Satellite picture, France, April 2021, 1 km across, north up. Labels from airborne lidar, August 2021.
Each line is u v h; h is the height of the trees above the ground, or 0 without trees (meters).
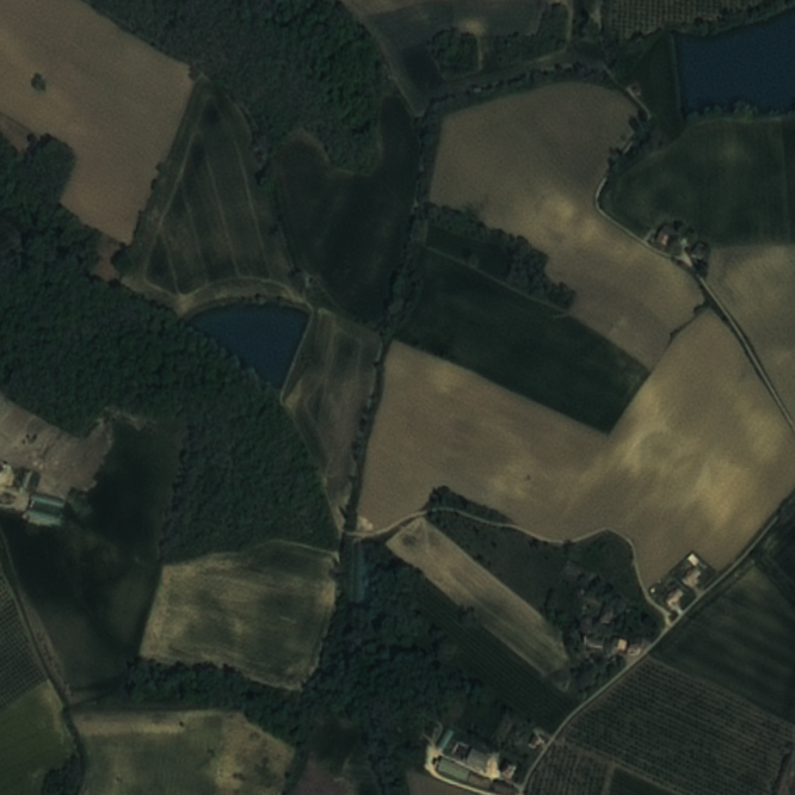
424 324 0
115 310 20
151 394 22
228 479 20
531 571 0
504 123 0
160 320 22
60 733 0
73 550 0
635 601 7
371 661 20
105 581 0
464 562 0
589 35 8
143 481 0
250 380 27
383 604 22
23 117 0
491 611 0
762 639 0
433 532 0
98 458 0
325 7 25
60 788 7
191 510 17
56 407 19
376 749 25
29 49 0
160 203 0
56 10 0
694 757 6
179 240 0
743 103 12
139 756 0
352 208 0
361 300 0
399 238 0
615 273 0
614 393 0
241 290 0
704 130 0
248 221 0
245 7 26
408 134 0
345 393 0
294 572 0
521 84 12
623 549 0
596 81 15
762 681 0
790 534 0
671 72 0
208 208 0
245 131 0
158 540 0
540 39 6
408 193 0
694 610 0
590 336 0
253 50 14
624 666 10
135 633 0
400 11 0
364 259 0
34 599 0
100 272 0
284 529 11
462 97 12
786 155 0
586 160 0
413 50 0
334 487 0
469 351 0
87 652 0
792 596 0
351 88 26
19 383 19
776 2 15
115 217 0
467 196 0
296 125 14
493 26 0
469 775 0
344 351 0
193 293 0
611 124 0
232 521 17
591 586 8
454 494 6
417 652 14
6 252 0
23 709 0
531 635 0
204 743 0
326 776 0
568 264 0
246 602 0
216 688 19
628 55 21
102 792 0
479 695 16
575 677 9
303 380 0
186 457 11
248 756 0
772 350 0
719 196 0
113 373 30
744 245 0
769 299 0
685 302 0
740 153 0
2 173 23
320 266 0
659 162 0
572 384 0
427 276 0
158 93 0
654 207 0
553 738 0
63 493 0
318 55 28
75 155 18
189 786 0
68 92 0
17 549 0
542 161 0
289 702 8
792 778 0
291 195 0
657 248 0
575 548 17
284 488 16
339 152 25
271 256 0
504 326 0
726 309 0
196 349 25
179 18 17
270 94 13
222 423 20
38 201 24
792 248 0
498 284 0
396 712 13
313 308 0
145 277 0
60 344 23
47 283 22
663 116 0
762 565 0
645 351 0
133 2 19
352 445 0
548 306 0
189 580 0
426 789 0
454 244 0
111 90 0
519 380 0
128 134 0
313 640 0
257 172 0
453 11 0
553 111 0
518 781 9
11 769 0
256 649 0
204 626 0
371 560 16
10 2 0
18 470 0
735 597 0
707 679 0
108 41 0
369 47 28
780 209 0
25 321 28
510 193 0
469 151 0
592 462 0
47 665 0
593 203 0
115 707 0
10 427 0
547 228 0
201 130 0
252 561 0
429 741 0
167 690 20
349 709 17
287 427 18
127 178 0
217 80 15
